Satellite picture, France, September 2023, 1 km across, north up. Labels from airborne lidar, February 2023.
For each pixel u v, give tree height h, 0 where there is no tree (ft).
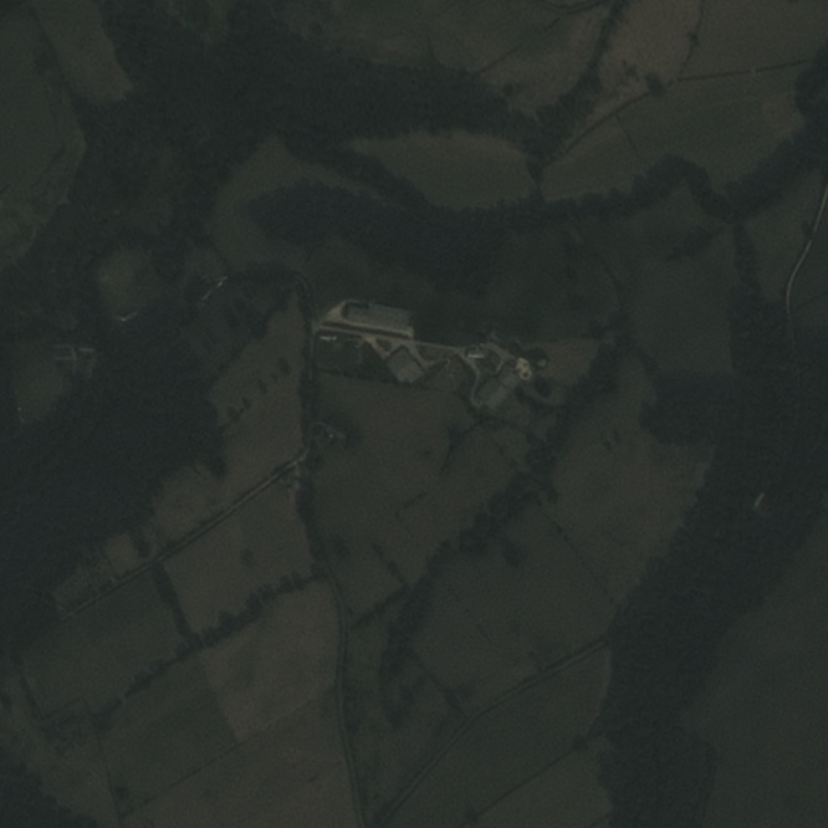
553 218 57
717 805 0
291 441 0
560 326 0
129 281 0
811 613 0
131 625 0
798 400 53
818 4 0
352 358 0
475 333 0
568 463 0
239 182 0
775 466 82
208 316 0
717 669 0
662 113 0
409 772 0
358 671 0
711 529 52
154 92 53
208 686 0
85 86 0
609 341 0
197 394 25
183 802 0
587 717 0
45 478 98
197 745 0
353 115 41
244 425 0
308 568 0
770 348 99
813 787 0
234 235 0
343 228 65
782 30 0
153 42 75
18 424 49
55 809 52
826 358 53
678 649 79
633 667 88
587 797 0
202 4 20
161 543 0
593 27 0
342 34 0
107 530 36
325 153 60
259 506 0
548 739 0
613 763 42
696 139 0
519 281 0
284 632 0
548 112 44
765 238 0
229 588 0
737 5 0
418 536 0
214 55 60
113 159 44
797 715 0
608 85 0
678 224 0
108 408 25
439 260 72
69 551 48
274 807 0
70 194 29
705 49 0
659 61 0
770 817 0
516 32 0
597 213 73
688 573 76
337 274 0
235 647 0
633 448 0
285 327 0
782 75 0
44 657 0
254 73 78
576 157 0
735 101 0
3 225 0
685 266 0
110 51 0
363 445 0
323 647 0
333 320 0
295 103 43
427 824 0
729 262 0
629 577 0
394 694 0
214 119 40
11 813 54
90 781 0
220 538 0
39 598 33
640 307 0
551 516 0
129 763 0
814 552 0
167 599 38
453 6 0
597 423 0
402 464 0
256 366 0
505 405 0
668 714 48
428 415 0
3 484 73
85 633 0
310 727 0
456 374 0
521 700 0
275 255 0
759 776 0
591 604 0
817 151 53
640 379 0
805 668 0
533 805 0
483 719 0
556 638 0
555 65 0
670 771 77
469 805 0
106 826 0
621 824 44
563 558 0
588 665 0
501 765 0
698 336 0
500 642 0
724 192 0
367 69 37
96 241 63
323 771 0
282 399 0
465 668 0
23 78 0
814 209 0
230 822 0
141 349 58
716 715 0
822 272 0
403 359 0
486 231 44
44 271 60
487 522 49
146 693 0
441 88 42
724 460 58
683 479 0
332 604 0
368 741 0
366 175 78
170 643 0
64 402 39
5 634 53
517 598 0
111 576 0
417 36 0
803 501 66
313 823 0
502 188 0
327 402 0
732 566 81
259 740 0
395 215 41
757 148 0
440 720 0
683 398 72
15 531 65
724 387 60
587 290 0
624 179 0
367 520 0
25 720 0
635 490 0
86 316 50
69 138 0
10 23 0
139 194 49
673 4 0
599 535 0
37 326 42
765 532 75
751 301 66
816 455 37
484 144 0
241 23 77
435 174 0
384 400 0
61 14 0
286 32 42
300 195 51
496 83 0
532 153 53
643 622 69
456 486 0
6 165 0
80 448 50
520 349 0
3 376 45
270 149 0
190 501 0
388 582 0
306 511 59
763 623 0
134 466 59
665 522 0
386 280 0
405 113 31
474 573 0
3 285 54
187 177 0
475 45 0
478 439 0
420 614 43
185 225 35
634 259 0
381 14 0
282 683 0
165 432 78
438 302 0
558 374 0
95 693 0
